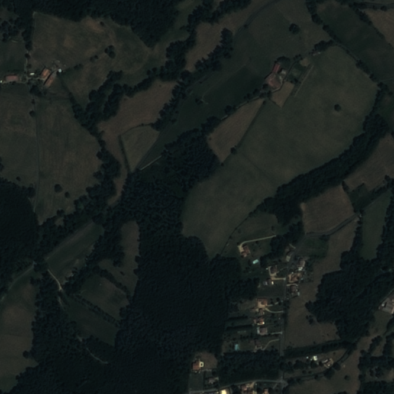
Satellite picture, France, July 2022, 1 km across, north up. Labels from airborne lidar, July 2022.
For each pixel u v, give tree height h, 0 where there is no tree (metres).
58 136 0
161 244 7
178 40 0
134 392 15
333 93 0
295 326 0
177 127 0
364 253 0
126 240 0
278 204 16
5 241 22
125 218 16
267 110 0
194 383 0
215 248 0
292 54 0
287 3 0
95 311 26
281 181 0
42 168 0
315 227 0
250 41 0
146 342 22
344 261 8
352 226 0
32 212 15
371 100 0
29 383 29
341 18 0
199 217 0
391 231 25
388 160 0
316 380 9
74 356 13
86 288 0
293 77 0
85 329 0
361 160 16
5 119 0
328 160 0
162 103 0
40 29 0
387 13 0
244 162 0
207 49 0
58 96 0
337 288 19
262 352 17
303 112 0
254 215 8
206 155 19
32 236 18
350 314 30
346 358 0
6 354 0
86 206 24
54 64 0
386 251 31
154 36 24
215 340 17
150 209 27
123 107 0
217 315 14
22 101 0
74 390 8
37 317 15
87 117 23
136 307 24
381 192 11
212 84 0
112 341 0
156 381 13
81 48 0
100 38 0
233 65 0
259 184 0
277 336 15
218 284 16
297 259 10
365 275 20
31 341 0
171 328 15
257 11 0
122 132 0
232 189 0
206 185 0
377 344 17
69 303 27
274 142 0
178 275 19
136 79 0
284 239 23
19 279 0
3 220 15
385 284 15
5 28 16
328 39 0
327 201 0
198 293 18
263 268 9
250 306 0
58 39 0
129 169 0
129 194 22
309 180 25
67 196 16
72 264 0
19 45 0
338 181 24
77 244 0
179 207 18
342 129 0
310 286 0
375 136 20
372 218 0
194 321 17
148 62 0
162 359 15
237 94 0
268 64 0
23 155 0
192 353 11
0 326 0
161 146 0
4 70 0
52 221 17
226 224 0
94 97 22
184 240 6
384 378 0
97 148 0
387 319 0
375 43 0
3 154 0
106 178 15
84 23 0
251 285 20
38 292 0
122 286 14
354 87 0
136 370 15
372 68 0
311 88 0
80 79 0
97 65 0
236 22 0
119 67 0
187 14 0
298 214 14
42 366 19
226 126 0
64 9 13
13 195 15
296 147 0
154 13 27
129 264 0
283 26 0
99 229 0
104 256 13
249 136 0
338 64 0
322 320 22
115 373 13
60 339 24
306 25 0
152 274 13
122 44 0
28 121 0
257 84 0
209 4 22
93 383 7
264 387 0
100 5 26
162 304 13
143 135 0
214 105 0
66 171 0
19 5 15
